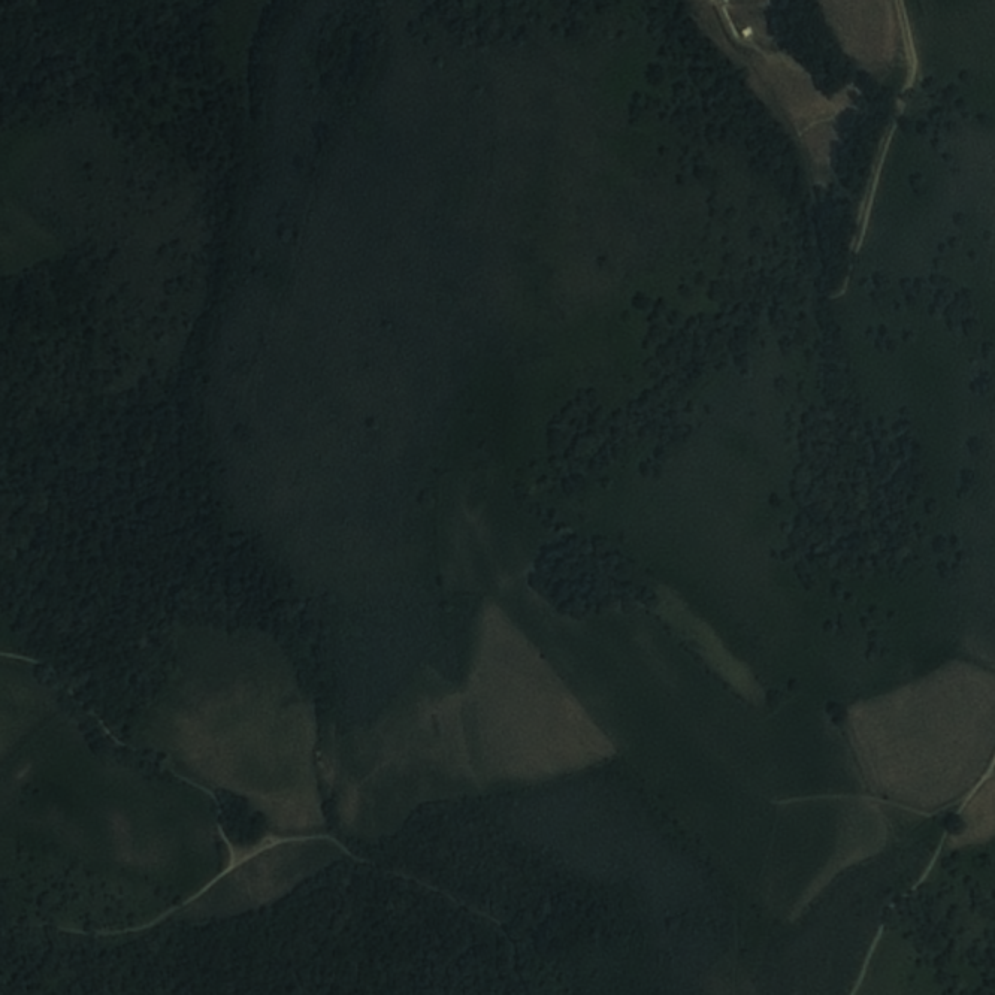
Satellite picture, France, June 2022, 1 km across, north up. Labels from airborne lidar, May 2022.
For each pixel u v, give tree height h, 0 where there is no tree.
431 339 0
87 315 8
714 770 0
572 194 0
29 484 24
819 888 0
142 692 27
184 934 17
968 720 0
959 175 5
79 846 0
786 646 0
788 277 12
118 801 0
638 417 16
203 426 7
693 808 0
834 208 24
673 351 14
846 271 17
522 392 0
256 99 9
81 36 8
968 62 0
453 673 0
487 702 0
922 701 0
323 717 12
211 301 8
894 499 17
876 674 0
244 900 0
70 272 10
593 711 0
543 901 14
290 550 0
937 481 0
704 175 16
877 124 21
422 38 8
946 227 0
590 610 8
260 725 0
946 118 9
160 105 8
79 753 0
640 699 0
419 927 7
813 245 12
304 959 12
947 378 0
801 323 11
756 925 0
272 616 6
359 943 15
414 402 0
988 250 0
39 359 14
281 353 0
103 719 11
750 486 0
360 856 11
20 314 9
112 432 10
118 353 9
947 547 10
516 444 0
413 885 11
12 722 0
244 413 0
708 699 0
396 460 0
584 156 0
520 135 0
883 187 0
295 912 12
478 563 0
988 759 0
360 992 10
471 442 0
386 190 0
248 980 15
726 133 12
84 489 19
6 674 0
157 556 17
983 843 0
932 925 16
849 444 24
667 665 0
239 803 13
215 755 0
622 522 0
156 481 24
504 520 0
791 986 0
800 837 0
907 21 0
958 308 17
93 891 6
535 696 0
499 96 0
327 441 0
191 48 15
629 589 8
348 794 0
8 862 0
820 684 0
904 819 0
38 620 13
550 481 13
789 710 0
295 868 0
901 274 0
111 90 8
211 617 21
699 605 0
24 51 17
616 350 0
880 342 13
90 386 6
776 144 21
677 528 0
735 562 0
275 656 0
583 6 13
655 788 0
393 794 0
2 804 0
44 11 19
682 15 14
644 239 0
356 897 17
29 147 0
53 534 17
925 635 0
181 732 0
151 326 8
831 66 22
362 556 0
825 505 21
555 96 0
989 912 15
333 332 0
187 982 15
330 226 0
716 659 0
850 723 0
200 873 0
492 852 6
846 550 22
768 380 0
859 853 0
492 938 11
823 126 0
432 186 0
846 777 0
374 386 0
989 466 0
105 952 13
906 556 14
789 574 0
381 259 0
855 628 0
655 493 0
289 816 0
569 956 8
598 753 0
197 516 8
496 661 0
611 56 0
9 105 18
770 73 0
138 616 24
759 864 0
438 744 0
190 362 10
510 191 0
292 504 0
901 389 0
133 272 0
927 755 0
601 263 9
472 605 0
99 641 19
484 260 0
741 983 0
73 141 0
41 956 10
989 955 15
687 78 8
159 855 0
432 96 0
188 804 0
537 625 0
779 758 0
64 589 14
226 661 0
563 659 0
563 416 12
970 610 0
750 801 0
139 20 17
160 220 0
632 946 6
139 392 7
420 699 0
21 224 0
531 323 0
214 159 13
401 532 0
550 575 13
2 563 21
